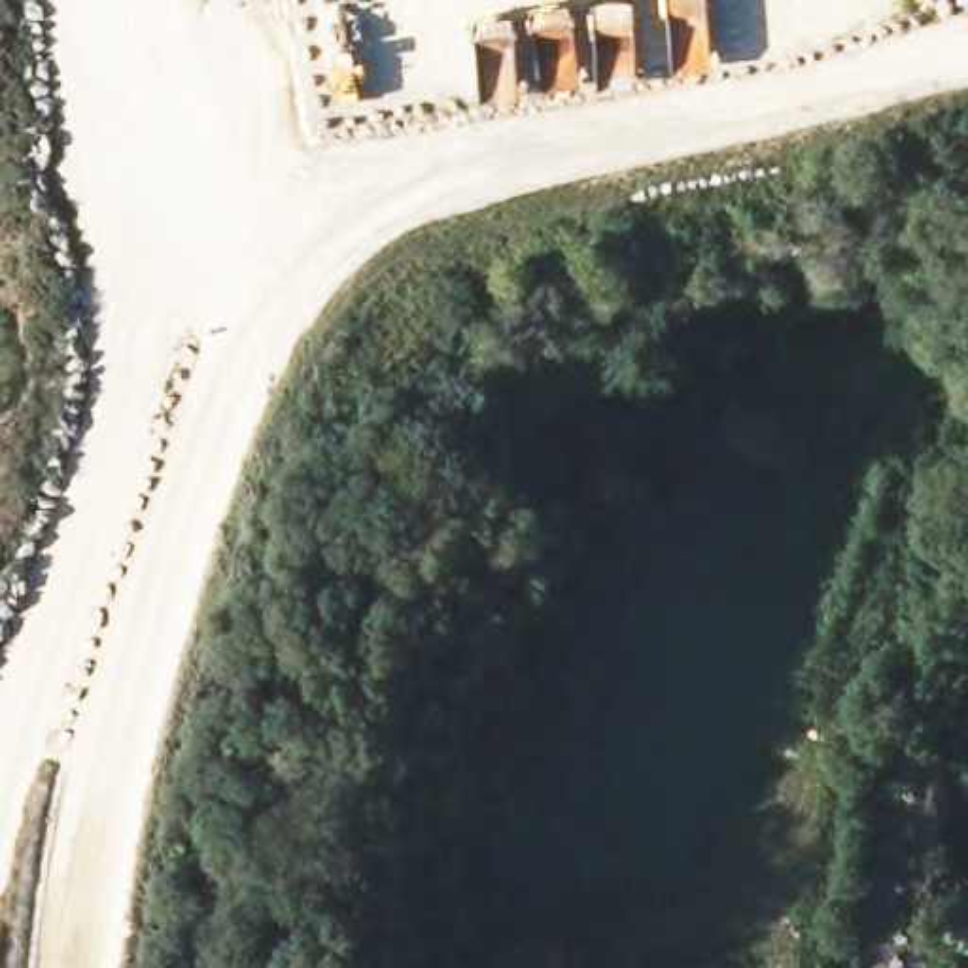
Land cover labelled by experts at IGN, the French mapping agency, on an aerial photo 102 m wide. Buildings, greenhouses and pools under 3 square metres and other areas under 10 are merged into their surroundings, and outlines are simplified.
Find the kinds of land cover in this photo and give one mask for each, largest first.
<instances>
[{"label":"deciduous trees","instance_id":"1","mask_svg":"<svg viewBox=\"0 0 968 968\"><path fill-rule=\"evenodd\" d=\"M866 129L862 147H839L832 155V147L821 144L813 189L798 185L790 170L760 182H730L718 189H692L643 204H616L605 212V234L597 242V253L579 250L567 261L563 253L526 257L514 276V303L492 299L488 276L469 265L442 268V280H431L424 287V310H416L412 321L389 303H374L367 318H355L337 295L329 303L344 318L348 337L344 348L321 367V378L310 389V412L295 427L299 439L314 446V458L284 480V548L276 563L291 575V582L272 590V601L280 605L287 631L299 635L303 658L287 673L257 681L250 696L212 677H204L197 688V700H208L219 711L204 730H197V779L185 794L174 798V805L200 821L204 832H212V839L200 843L193 855L178 858L174 889L189 892L197 908L178 926L174 953L163 968H764L756 945L771 934V923L779 915L798 919V968H968V189L953 197L945 185L934 182L938 163L930 155V144L915 136V129L900 125L889 106L855 117Z\"/></svg>","mask_w":968,"mask_h":968},{"label":"pervious surface","instance_id":"2","mask_svg":"<svg viewBox=\"0 0 968 968\"><path fill-rule=\"evenodd\" d=\"M23 15L30 30L34 64H26L23 76L30 83L34 106L45 113V140H38L34 159L23 163L19 193L26 200H42L53 212V219L38 234V246H26L19 231H0V303L11 306L15 325H30L34 303L26 291L34 261H42V268L64 280L68 287L61 314L68 329L57 337V352L68 363L64 424L53 427V439H61L64 446L61 458H49L42 469L34 518L15 510L0 522V968H121L155 756L166 737L178 669L219 545V522L231 507L242 461L265 420L268 393L280 389L299 337L329 303L337 295L355 276V268H363L382 246L431 219L461 216L518 193L579 178H605L631 166L718 151L749 140H771L798 129L855 117L889 106L968 87V0H26Z\"/></svg>","mask_w":968,"mask_h":968},{"label":"herbaceous vegetation","instance_id":"3","mask_svg":"<svg viewBox=\"0 0 968 968\"><path fill-rule=\"evenodd\" d=\"M26 0H0V231H19L26 246H38V234L53 219V212L42 200H26L19 193L23 163L34 159L38 140H45V113L34 106L30 83L23 76L26 64H34L30 30L23 15ZM900 125L915 129V136L930 144V155L938 163L934 182L945 185L953 197L968 189V87L889 106ZM866 129L855 117L798 129L771 140H749L718 151L631 166L605 178H579L518 193L461 216L431 219L382 246L363 268H355V276L337 295L355 318H367L374 303H389L412 321L416 310H424V287L431 280H442V268L469 265L488 276L492 299L514 303V276L526 257L563 253L567 261L579 250L597 253V242L605 234V212L616 204H643L692 189H718L730 182H760L790 170L798 185L813 189L821 144L832 147V155L839 147H862ZM34 303L30 325H15L11 306L0 303V522L15 510L34 518L42 469L49 458H61L64 446L61 439H53V427L64 424L68 363L57 352V337L68 329L61 314L68 287L64 280L42 268V261H34L26 291ZM348 337L344 318L329 303L299 337L280 389L268 393L265 420L242 461L231 507L219 522V545L178 669L166 737L155 756L121 968H163L174 953L178 926L197 908L189 892L174 889L178 858L193 855L200 843L212 839V832H204L200 821L174 805V798L185 794L197 779V730H204L219 711L208 700H197V688L204 677H212L250 696L257 681L287 673L303 658L299 635L287 631L280 605L272 601V590L291 582V575L276 563L284 548V480L314 458V446L299 439L295 427L310 412V389L321 378V367L344 348ZM798 919L779 915L771 923V934L756 945L764 968H798Z\"/></svg>","mask_w":968,"mask_h":968}]
</instances>
